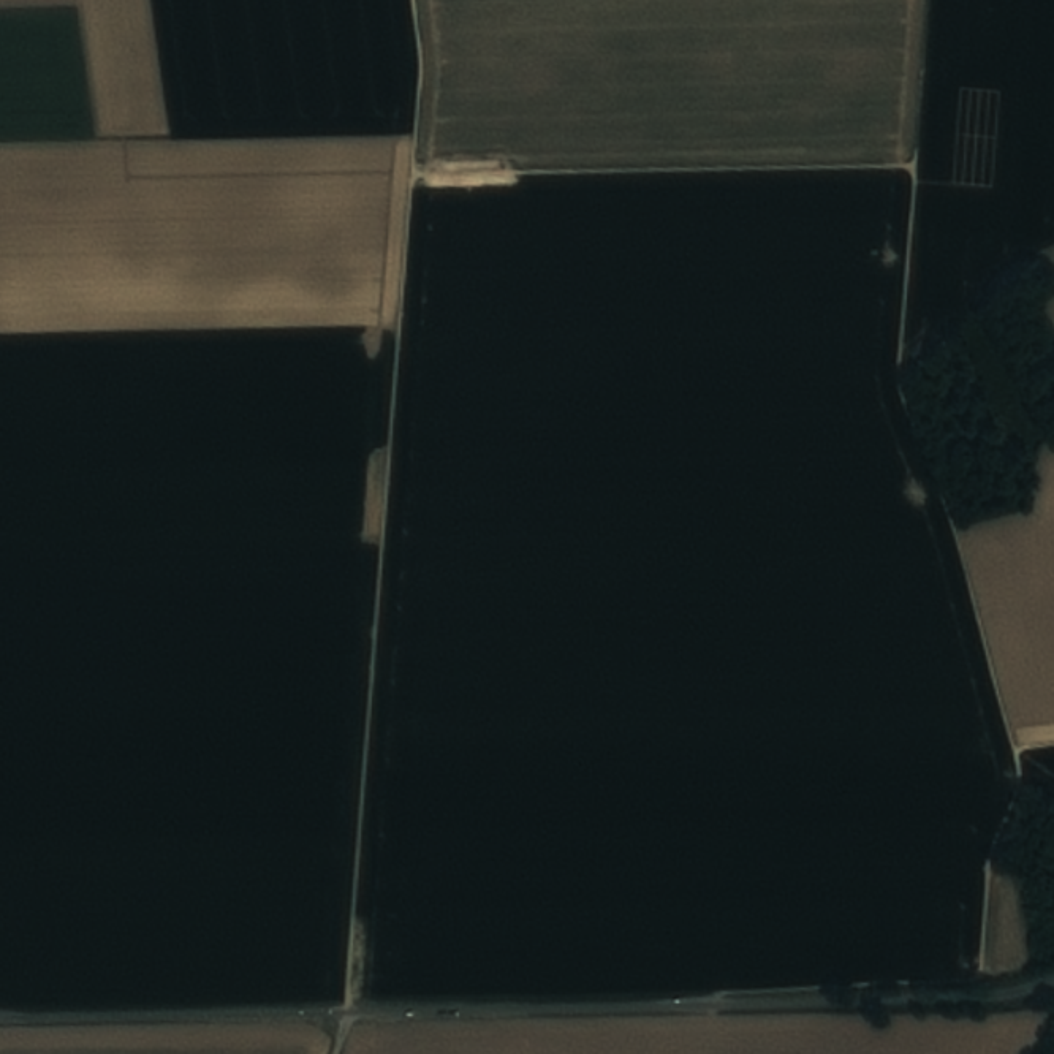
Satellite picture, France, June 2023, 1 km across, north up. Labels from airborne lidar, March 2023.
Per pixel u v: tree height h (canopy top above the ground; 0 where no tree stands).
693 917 0
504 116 0
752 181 0
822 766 0
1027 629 0
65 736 0
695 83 0
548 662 0
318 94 0
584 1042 0
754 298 0
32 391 0
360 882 0
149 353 0
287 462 0
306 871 0
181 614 0
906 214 0
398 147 0
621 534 0
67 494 0
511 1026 0
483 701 0
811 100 0
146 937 0
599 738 0
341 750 0
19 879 0
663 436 0
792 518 0
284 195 0
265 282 0
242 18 0
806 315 0
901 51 0
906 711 0
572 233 0
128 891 0
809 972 0
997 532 0
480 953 0
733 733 0
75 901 0
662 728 0
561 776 0
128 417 0
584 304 0
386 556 0
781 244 0
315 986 0
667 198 0
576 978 0
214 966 0
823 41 0
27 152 0
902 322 0
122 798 0
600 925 0
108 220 0
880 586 0
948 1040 0
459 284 0
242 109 0
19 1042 0
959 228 0
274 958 0
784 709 0
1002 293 20
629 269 0
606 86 0
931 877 0
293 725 0
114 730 0
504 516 0
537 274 0
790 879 0
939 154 0
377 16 0
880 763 0
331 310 0
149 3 0
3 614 0
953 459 25
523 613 0
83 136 0
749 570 0
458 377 0
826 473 0
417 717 0
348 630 0
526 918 0
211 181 0
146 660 0
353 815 0
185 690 0
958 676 0
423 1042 0
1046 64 0
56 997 0
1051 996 17
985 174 0
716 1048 0
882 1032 0
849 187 0
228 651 0
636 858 0
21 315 0
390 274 0
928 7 0
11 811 0
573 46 0
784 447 0
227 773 0
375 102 0
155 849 0
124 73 0
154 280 0
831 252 0
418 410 0
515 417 0
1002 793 0
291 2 0
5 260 0
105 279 0
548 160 0
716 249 0
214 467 0
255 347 0
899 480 0
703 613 0
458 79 0
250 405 0
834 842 0
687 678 0
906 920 0
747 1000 0
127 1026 0
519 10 0
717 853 0
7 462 0
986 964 0
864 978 0
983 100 0
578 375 0
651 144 0
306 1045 0
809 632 0
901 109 0
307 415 0
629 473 0
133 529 0
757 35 0
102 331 0
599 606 0
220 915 0
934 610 0
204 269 0
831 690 0
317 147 0
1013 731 0
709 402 0
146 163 0
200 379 0
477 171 0
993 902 0
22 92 0
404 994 0
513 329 0
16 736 0
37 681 0
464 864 0
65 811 0
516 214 0
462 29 0
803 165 0
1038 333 14
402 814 0
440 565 0
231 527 0
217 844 0
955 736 0
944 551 0
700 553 0
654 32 0
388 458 0
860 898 0
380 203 0
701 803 0
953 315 0
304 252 0
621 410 0
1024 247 0
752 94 0
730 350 0
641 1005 0
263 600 0
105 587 0
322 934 0
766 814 0
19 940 0
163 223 0
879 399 0
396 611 0
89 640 0
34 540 0
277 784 0
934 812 0
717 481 0
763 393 0
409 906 0
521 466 0
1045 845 12
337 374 0
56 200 0
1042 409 24
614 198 0
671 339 0
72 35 0
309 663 0
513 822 0
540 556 0
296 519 0
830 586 0
